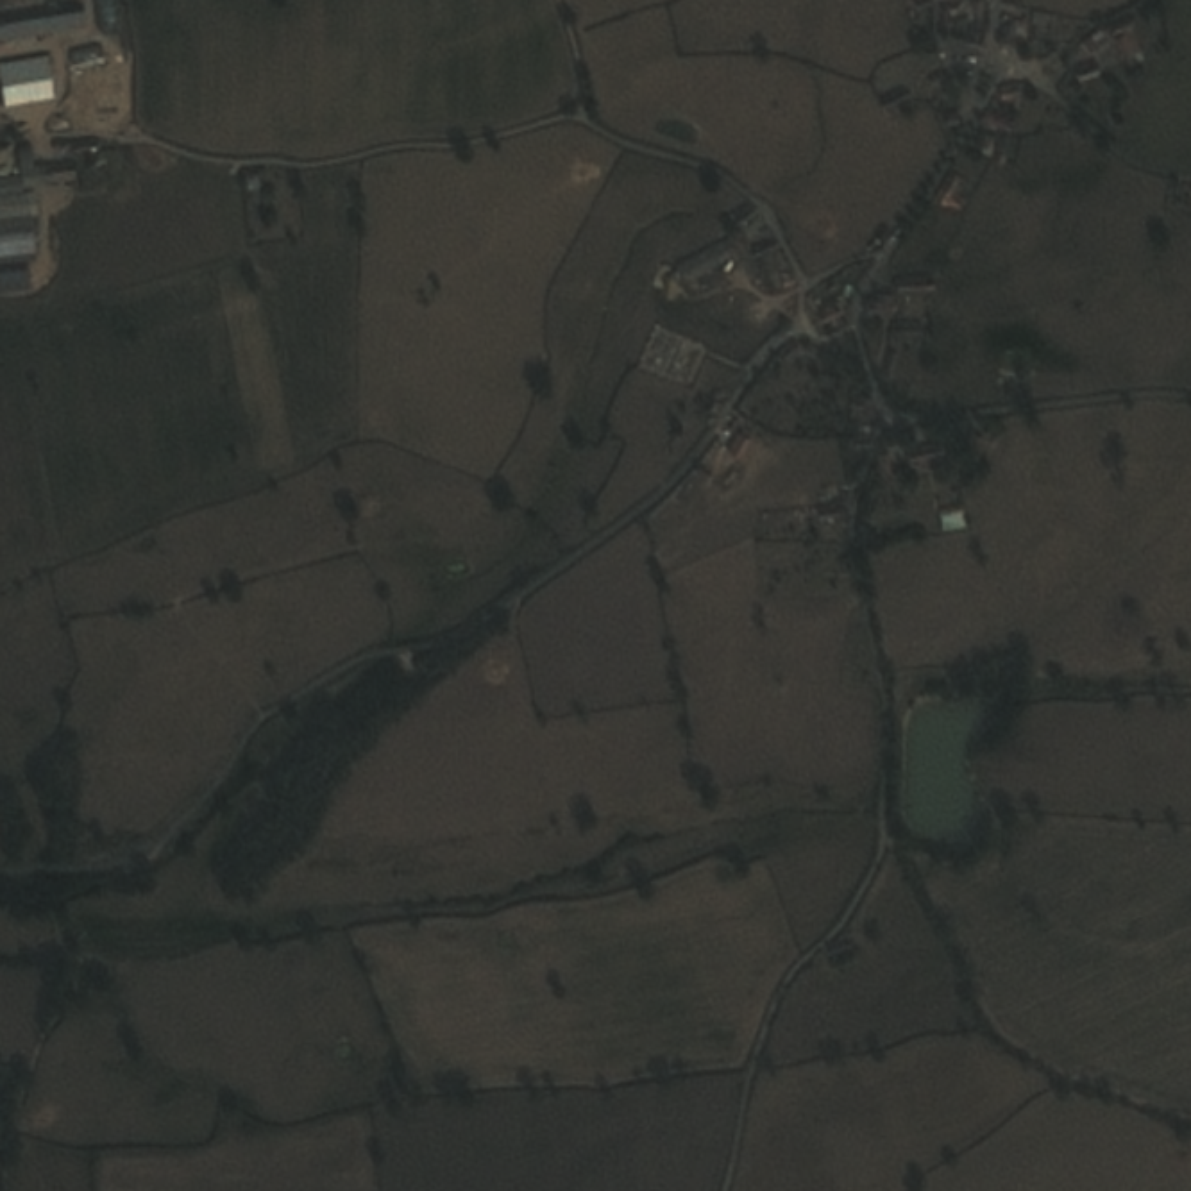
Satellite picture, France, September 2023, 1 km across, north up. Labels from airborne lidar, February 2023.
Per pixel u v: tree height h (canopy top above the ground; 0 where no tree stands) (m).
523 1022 0
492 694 0
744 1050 0
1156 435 0
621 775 0
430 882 0
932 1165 0
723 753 0
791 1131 0
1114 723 0
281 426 0
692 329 0
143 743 0
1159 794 0
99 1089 0
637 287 0
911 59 0
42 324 0
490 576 0
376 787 0
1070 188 0
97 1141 0
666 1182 0
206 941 0
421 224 0
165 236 0
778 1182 0
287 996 0
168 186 0
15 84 0
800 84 0
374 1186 0
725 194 0
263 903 0
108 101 0
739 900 0
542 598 0
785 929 0
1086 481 0
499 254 0
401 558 0
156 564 0
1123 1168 0
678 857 0
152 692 0
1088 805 0
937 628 0
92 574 0
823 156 0
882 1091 0
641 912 0
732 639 0
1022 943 0
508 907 0
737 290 0
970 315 0
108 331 0
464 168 0
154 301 0
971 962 14
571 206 0
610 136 0
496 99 0
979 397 0
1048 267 0
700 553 0
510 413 0
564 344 0
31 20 0
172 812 0
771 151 0
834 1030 0
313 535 0
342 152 0
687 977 0
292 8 0
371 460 0
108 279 0
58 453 0
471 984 0
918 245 0
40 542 0
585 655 0
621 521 0
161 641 0
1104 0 0
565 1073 0
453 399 0
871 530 10
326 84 0
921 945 0
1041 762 0
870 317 11
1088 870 0
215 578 0
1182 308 0
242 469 0
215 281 0
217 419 0
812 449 0
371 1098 0
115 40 0
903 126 0
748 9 0
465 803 0
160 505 0
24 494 0
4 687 0
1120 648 0
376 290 0
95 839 14
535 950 0
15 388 0
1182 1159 0
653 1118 0
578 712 14
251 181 0
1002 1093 0
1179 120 0
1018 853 0
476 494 0
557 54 0
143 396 0
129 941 0
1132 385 0
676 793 0
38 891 18
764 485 0
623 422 0
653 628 0
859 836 0
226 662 0
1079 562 0
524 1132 0
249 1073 0
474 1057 0
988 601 0
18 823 19
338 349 0
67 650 0
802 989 0
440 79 0
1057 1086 15
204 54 0
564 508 0
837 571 0
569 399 0
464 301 0
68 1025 0
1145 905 0
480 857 0
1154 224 12
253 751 0
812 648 0
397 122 0
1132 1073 0
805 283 0
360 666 0
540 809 0
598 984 0
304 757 15
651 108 0
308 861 0
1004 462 0
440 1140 0
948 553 0
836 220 0
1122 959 0
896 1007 0
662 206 0
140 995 0
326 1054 0
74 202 0
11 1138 18
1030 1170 0
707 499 0
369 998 0
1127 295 0
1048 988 0
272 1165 0
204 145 0
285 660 0
